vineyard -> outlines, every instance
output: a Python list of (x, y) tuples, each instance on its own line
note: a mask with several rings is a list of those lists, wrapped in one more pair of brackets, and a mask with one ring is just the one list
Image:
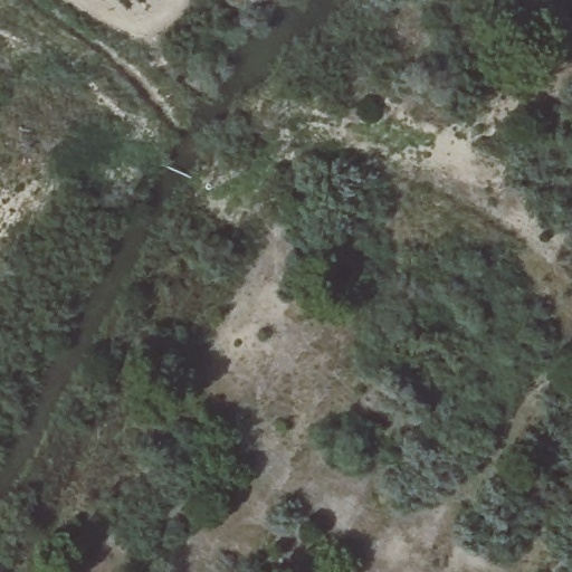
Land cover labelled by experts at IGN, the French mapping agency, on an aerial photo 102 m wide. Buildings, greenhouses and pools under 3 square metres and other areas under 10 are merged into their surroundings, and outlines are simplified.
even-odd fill
[(78, 7), (80, 11), (87, 11), (92, 18), (118, 31), (125, 31), (132, 38), (139, 38), (147, 45), (161, 38), (161, 31), (165, 31), (183, 13), (190, 0), (65, 0)]

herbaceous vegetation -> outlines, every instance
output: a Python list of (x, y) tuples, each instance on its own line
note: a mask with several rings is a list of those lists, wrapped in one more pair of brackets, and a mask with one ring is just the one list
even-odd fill
[(543, 433), (536, 440), (521, 440), (527, 425), (536, 425), (541, 416), (547, 416), (545, 389), (550, 380), (543, 373), (536, 378), (534, 389), (525, 395), (523, 404), (512, 418), (512, 427), (494, 427), (478, 418), (467, 420), (469, 429), (478, 429), (485, 436), (492, 436), (496, 449), (503, 447), (507, 433), (518, 438), (516, 451), (523, 454), (534, 469), (532, 489), (525, 494), (525, 501), (530, 501), (538, 509), (552, 509), (561, 503), (565, 503), (572, 509), (572, 463), (568, 467), (559, 467), (559, 445), (547, 433)]
[(501, 163), (501, 159), (496, 159), (489, 152), (471, 147), (478, 139), (494, 136), (496, 121), (507, 118), (509, 112), (518, 107), (516, 98), (494, 98), (489, 101), (487, 114), (476, 116), (469, 125), (451, 123), (445, 130), (431, 123), (416, 121), (402, 103), (384, 98), (387, 109), (407, 127), (429, 132), (436, 136), (436, 145), (409, 145), (404, 147), (404, 152), (398, 154), (389, 152), (387, 145), (360, 141), (355, 132), (346, 130), (351, 123), (362, 121), (358, 112), (349, 112), (344, 118), (337, 118), (324, 109), (313, 109), (313, 141), (324, 143), (335, 139), (342, 141), (346, 147), (355, 147), (362, 152), (382, 152), (384, 159), (400, 163), (407, 177), (411, 177), (413, 181), (431, 181), (433, 188), (445, 190), (465, 203), (474, 203), (483, 212), (503, 221), (507, 228), (518, 230), (518, 235), (527, 239), (527, 246), (547, 264), (556, 259), (561, 246), (565, 246), (570, 239), (563, 232), (554, 235), (550, 241), (543, 241), (538, 221), (530, 217), (525, 210), (525, 188), (505, 185), (505, 165)]
[(147, 45), (139, 38), (132, 38), (125, 31), (118, 31), (92, 18), (87, 11), (80, 11), (78, 7), (65, 0), (0, 0), (0, 239), (7, 237), (9, 226), (20, 221), (25, 212), (42, 210), (49, 203), (49, 194), (58, 188), (58, 179), (67, 179), (69, 183), (74, 183), (80, 174), (87, 174), (94, 183), (109, 179), (118, 185), (123, 179), (139, 179), (141, 174), (156, 177), (163, 174), (172, 163), (172, 147), (179, 143), (179, 132), (190, 125), (194, 109), (217, 98), (219, 87), (228, 80), (228, 56), (237, 47), (246, 45), (250, 38), (268, 38), (268, 20), (279, 9), (277, 0), (190, 0), (183, 13), (165, 31), (161, 31), (161, 38)]
[(554, 78), (552, 94), (538, 94), (534, 101), (525, 103), (527, 114), (538, 123), (538, 132), (556, 132), (556, 98), (568, 87), (572, 89), (572, 65), (563, 63), (563, 69)]
[(177, 547), (172, 572), (221, 572), (217, 570), (217, 554), (221, 550), (235, 550), (239, 554), (266, 550), (270, 563), (282, 563), (290, 568), (290, 572), (315, 572), (313, 559), (308, 556), (306, 547), (297, 545), (302, 541), (299, 518), (306, 518), (315, 530), (320, 530), (331, 545), (346, 547), (355, 572), (572, 572), (572, 556), (563, 550), (556, 550), (554, 545), (547, 547), (545, 541), (536, 538), (532, 550), (521, 556), (518, 563), (505, 568), (494, 565), (485, 556), (474, 554), (471, 550), (451, 547), (449, 534), (440, 532), (442, 518), (451, 512), (449, 507), (440, 505), (436, 509), (418, 509), (411, 514), (393, 509), (391, 501), (400, 501), (400, 489), (387, 485), (387, 471), (393, 469), (393, 465), (378, 465), (373, 474), (366, 474), (362, 478), (340, 476), (326, 469), (324, 451), (317, 447), (315, 440), (308, 438), (308, 427), (315, 422), (320, 429), (340, 429), (340, 411), (349, 411), (353, 404), (373, 409), (378, 404), (378, 393), (382, 389), (380, 380), (364, 375), (360, 353), (353, 349), (353, 335), (346, 331), (344, 324), (320, 324), (317, 320), (308, 320), (308, 311), (302, 311), (297, 302), (279, 299), (277, 293), (284, 277), (284, 264), (293, 248), (284, 237), (284, 228), (277, 226), (273, 226), (273, 230), (268, 232), (268, 246), (259, 252), (255, 266), (248, 270), (244, 286), (235, 295), (235, 308), (219, 326), (219, 333), (215, 333), (208, 326), (199, 326), (183, 340), (183, 351), (179, 353), (179, 360), (185, 362), (183, 375), (197, 387), (192, 393), (197, 395), (206, 413), (221, 425), (221, 429), (235, 429), (239, 433), (239, 445), (232, 447), (235, 460), (248, 465), (259, 478), (252, 480), (250, 494), (244, 489), (230, 489), (230, 498), (226, 505), (230, 516), (219, 527), (197, 532), (188, 538), (188, 545)]
[(103, 516), (103, 512), (89, 516), (83, 512), (65, 525), (65, 532), (80, 550), (80, 559), (76, 559), (69, 565), (69, 572), (121, 572), (121, 568), (127, 563), (127, 552), (121, 543), (116, 543), (112, 534), (107, 536), (107, 518)]

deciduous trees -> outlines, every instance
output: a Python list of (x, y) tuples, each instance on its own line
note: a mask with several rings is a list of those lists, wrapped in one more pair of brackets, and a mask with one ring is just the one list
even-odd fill
[(51, 534), (51, 543), (40, 550), (40, 559), (36, 561), (31, 572), (69, 572), (69, 565), (76, 559), (80, 559), (80, 550), (65, 532)]
[(221, 572), (290, 572), (290, 568), (282, 563), (270, 563), (266, 550), (239, 554), (235, 550), (221, 550), (217, 554), (217, 570)]
[(226, 505), (230, 498), (230, 489), (244, 489), (250, 494), (252, 480), (259, 478), (248, 465), (235, 460), (232, 447), (239, 445), (239, 433), (235, 429), (221, 429), (221, 425), (206, 413), (197, 395), (192, 393), (185, 393), (183, 400), (174, 400), (174, 411), (165, 411), (165, 422), (150, 422), (154, 429), (154, 449), (136, 447), (130, 454), (136, 467), (152, 483), (152, 489), (143, 492), (143, 485), (123, 485), (121, 498), (112, 498), (112, 494), (103, 492), (98, 501), (87, 498), (83, 512), (89, 516), (103, 512), (103, 516), (107, 518), (107, 536), (112, 534), (116, 543), (121, 543), (127, 552), (127, 563), (121, 568), (121, 572), (172, 572), (177, 547), (188, 545), (188, 538), (197, 532), (219, 527), (230, 516)]
[(543, 241), (550, 241), (554, 235), (563, 232), (570, 239), (572, 239), (572, 89), (568, 87), (556, 98), (556, 132), (538, 132), (538, 123), (527, 114), (525, 103), (534, 101), (538, 94), (552, 94), (554, 78), (563, 69), (563, 63), (572, 65), (572, 0), (514, 0), (514, 4), (498, 7), (487, 18), (483, 18), (485, 25), (492, 27), (492, 34), (487, 34), (476, 45), (478, 72), (483, 74), (485, 85), (494, 87), (494, 98), (516, 98), (518, 107), (509, 112), (507, 118), (496, 121), (494, 136), (478, 139), (471, 147), (489, 152), (496, 159), (501, 159), (501, 163), (505, 165), (505, 185), (525, 188), (525, 210), (530, 217), (538, 221)]
[(331, 545), (320, 530), (315, 530), (306, 518), (299, 518), (302, 541), (297, 545), (306, 547), (308, 556), (313, 559), (315, 572), (355, 572), (346, 547)]
[(308, 311), (308, 320), (317, 320), (320, 324), (344, 324), (346, 331), (353, 335), (353, 349), (360, 353), (364, 375), (380, 380), (382, 389), (378, 393), (378, 404), (373, 409), (353, 404), (349, 411), (340, 411), (340, 429), (320, 429), (315, 422), (308, 427), (308, 438), (315, 440), (317, 447), (324, 451), (326, 469), (340, 476), (362, 478), (366, 474), (373, 474), (378, 465), (393, 465), (393, 469), (387, 471), (387, 485), (400, 489), (400, 501), (391, 501), (393, 509), (411, 514), (418, 509), (436, 509), (440, 505), (449, 507), (451, 512), (442, 518), (440, 532), (449, 534), (451, 547), (471, 550), (474, 554), (485, 556), (494, 565), (505, 568), (518, 563), (521, 556), (532, 550), (536, 538), (545, 541), (547, 547), (554, 545), (556, 550), (563, 550), (572, 556), (572, 509), (565, 503), (561, 503), (552, 509), (538, 509), (530, 501), (525, 501), (525, 494), (532, 489), (534, 469), (523, 454), (516, 451), (518, 438), (507, 433), (503, 447), (496, 449), (492, 436), (485, 436), (478, 429), (469, 429), (467, 420), (478, 418), (494, 427), (512, 427), (512, 418), (523, 404), (525, 395), (534, 389), (536, 378), (543, 373), (550, 380), (545, 389), (547, 416), (541, 416), (536, 425), (527, 425), (521, 440), (536, 440), (543, 433), (547, 433), (559, 445), (559, 467), (568, 467), (572, 463), (572, 335), (561, 328), (554, 297), (536, 293), (534, 279), (525, 273), (521, 257), (516, 252), (512, 255), (509, 250), (505, 250), (505, 241), (469, 244), (463, 239), (465, 228), (456, 226), (451, 232), (445, 232), (442, 237), (433, 237), (429, 244), (416, 239), (395, 241), (393, 230), (387, 228), (387, 219), (393, 217), (400, 208), (400, 190), (395, 188), (393, 179), (380, 181), (375, 174), (360, 174), (358, 168), (351, 168), (349, 174), (340, 174), (337, 161), (326, 163), (326, 174), (317, 174), (315, 188), (311, 192), (304, 192), (304, 203), (293, 201), (288, 208), (277, 210), (277, 226), (284, 228), (284, 237), (293, 248), (284, 264), (284, 277), (277, 293), (279, 299), (297, 302), (302, 311)]

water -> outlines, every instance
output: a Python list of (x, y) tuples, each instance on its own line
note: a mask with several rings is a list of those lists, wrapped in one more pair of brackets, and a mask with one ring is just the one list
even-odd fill
[(121, 293), (121, 284), (132, 270), (139, 250), (150, 237), (150, 232), (136, 226), (127, 230), (121, 239), (114, 239), (107, 248), (109, 264), (103, 268), (101, 282), (92, 286), (89, 297), (74, 295), (69, 299), (74, 328), (69, 331), (67, 353), (60, 360), (51, 362), (47, 373), (38, 380), (40, 387), (36, 407), (31, 407), (25, 416), (22, 433), (9, 436), (4, 447), (4, 463), (0, 469), (0, 501), (9, 494), (11, 483), (18, 478), (25, 463), (31, 458), (36, 445), (40, 442), (40, 436), (49, 422), (49, 416), (58, 402), (60, 391), (67, 387), (72, 373), (78, 369), (78, 362), (83, 353), (87, 353), (103, 317), (114, 306), (116, 295)]
[(217, 98), (194, 109), (190, 125), (179, 132), (179, 143), (172, 147), (172, 163), (163, 174), (156, 177), (147, 194), (147, 212), (159, 219), (163, 215), (165, 199), (194, 168), (194, 136), (206, 125), (228, 118), (228, 107), (237, 94), (250, 94), (250, 89), (266, 83), (284, 45), (290, 45), (295, 38), (308, 36), (311, 29), (326, 25), (331, 16), (344, 11), (335, 0), (277, 0), (279, 9), (268, 20), (268, 38), (250, 38), (246, 45), (237, 47), (228, 56), (228, 80), (219, 87)]

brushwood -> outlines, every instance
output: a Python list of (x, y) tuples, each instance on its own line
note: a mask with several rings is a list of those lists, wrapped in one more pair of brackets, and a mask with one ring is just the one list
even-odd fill
[(179, 360), (179, 353), (183, 351), (183, 340), (199, 326), (208, 326), (215, 333), (219, 333), (219, 326), (235, 308), (235, 295), (244, 286), (248, 270), (255, 266), (259, 252), (268, 246), (268, 232), (273, 230), (273, 226), (277, 226), (277, 210), (288, 208), (293, 201), (304, 203), (304, 192), (311, 192), (315, 188), (317, 174), (326, 174), (326, 163), (337, 161), (340, 174), (349, 174), (351, 168), (358, 168), (360, 174), (375, 174), (380, 181), (393, 179), (395, 188), (400, 190), (400, 208), (393, 217), (387, 219), (387, 228), (393, 230), (395, 241), (416, 239), (429, 244), (433, 237), (442, 237), (445, 232), (451, 232), (456, 226), (465, 228), (463, 239), (469, 244), (505, 241), (505, 250), (509, 250), (512, 255), (516, 252), (521, 257), (525, 273), (534, 279), (536, 293), (554, 297), (561, 328), (572, 335), (572, 239), (570, 239), (565, 246), (561, 246), (556, 259), (547, 264), (527, 246), (527, 239), (518, 235), (518, 230), (507, 228), (503, 221), (483, 212), (474, 203), (465, 203), (445, 190), (433, 188), (431, 181), (413, 181), (411, 177), (407, 177), (400, 163), (384, 159), (382, 152), (362, 152), (355, 147), (346, 147), (342, 141), (335, 139), (324, 143), (313, 141), (313, 109), (324, 109), (337, 118), (344, 118), (349, 112), (358, 112), (362, 121), (351, 123), (346, 130), (355, 132), (360, 141), (387, 145), (389, 152), (398, 154), (404, 152), (404, 147), (409, 145), (436, 145), (436, 136), (429, 132), (407, 127), (387, 109), (384, 98), (402, 103), (416, 121), (431, 123), (445, 130), (451, 123), (469, 125), (476, 116), (487, 114), (489, 101), (494, 98), (494, 87), (485, 85), (483, 74), (478, 72), (476, 45), (487, 34), (492, 34), (492, 27), (485, 25), (483, 18), (487, 18), (498, 7), (514, 4), (514, 0), (335, 0), (344, 11), (331, 16), (326, 25), (311, 29), (308, 36), (295, 38), (290, 45), (284, 45), (266, 83), (250, 89), (250, 94), (237, 94), (228, 107), (228, 118), (206, 125), (194, 136), (194, 168), (165, 199), (163, 215), (159, 219), (147, 212), (147, 194), (156, 177), (141, 174), (139, 179), (123, 179), (118, 185), (109, 179), (94, 183), (87, 174), (80, 174), (74, 183), (69, 183), (67, 179), (58, 179), (58, 188), (49, 194), (49, 203), (42, 210), (25, 212), (20, 221), (9, 226), (7, 237), (0, 239), (0, 469), (4, 463), (4, 447), (9, 436), (22, 433), (25, 416), (31, 407), (36, 407), (40, 387), (38, 380), (47, 373), (51, 362), (60, 360), (67, 353), (69, 331), (74, 328), (69, 299), (74, 295), (89, 297), (92, 286), (101, 282), (103, 268), (109, 264), (107, 248), (114, 239), (121, 239), (127, 230), (136, 226), (150, 232), (150, 237), (139, 250), (132, 270), (121, 284), (121, 293), (116, 295), (114, 306), (103, 317), (87, 353), (83, 353), (78, 362), (78, 369), (72, 373), (67, 387), (60, 391), (58, 402), (49, 416), (49, 422), (40, 436), (40, 442), (36, 445), (31, 458), (25, 463), (18, 478), (11, 483), (9, 494), (0, 501), (0, 572), (31, 572), (36, 561), (40, 559), (40, 550), (51, 543), (51, 534), (65, 532), (65, 525), (83, 512), (87, 498), (98, 501), (103, 492), (112, 494), (112, 498), (121, 498), (123, 485), (143, 485), (143, 492), (152, 489), (152, 483), (136, 467), (130, 454), (136, 447), (154, 449), (154, 429), (150, 422), (165, 422), (165, 411), (174, 411), (174, 400), (183, 400), (185, 393), (192, 393), (197, 387), (183, 375), (185, 362)]

